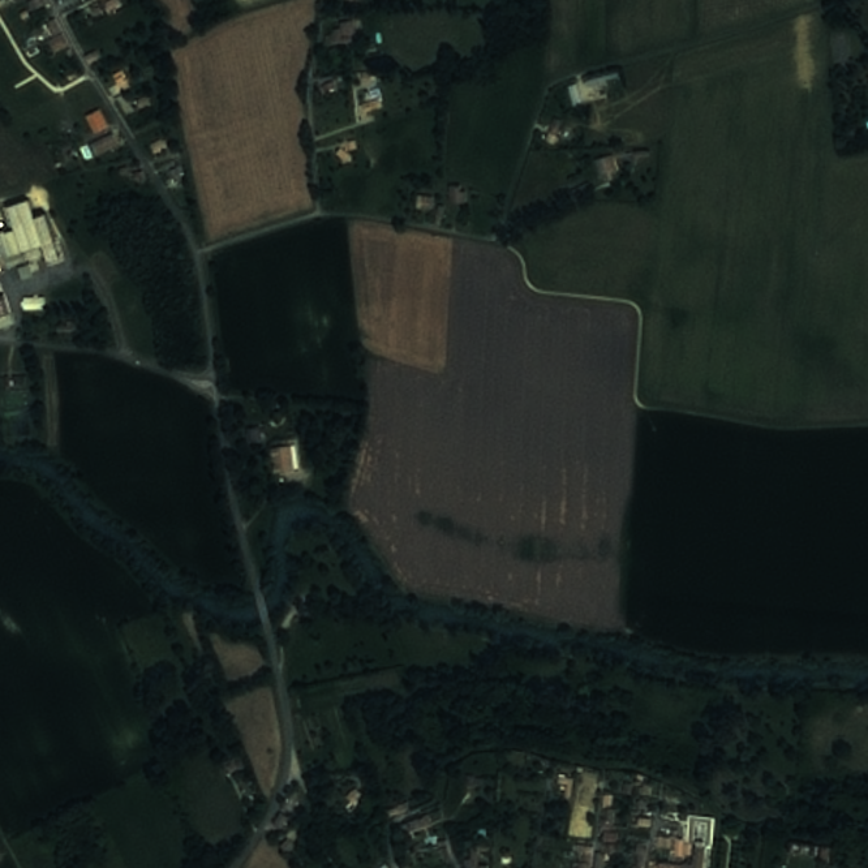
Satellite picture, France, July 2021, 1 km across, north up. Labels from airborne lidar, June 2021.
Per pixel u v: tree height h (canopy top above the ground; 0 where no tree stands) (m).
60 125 0
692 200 0
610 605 0
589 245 0
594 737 8
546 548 0
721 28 0
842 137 16
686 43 0
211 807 0
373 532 0
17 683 0
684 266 0
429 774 32
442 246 0
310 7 0
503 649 18
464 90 0
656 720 0
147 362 0
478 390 0
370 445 0
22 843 0
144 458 0
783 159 0
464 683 25
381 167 0
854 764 0
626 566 0
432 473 0
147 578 10
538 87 0
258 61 0
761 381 0
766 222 0
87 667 0
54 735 0
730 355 0
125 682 0
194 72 0
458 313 0
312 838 19
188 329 13
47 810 0
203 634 7
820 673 0
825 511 0
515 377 0
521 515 0
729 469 0
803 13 0
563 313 0
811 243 0
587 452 0
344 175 0
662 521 0
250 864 0
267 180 0
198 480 0
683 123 0
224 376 11
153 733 0
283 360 0
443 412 0
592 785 0
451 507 0
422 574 0
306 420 14
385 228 0
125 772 0
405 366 0
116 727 0
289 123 0
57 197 0
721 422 0
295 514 0
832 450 0
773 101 0
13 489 0
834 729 0
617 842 6
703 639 0
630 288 0
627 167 8
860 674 0
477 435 0
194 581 20
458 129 0
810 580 0
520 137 0
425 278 0
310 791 10
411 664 0
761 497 0
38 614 0
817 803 11
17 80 0
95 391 0
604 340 0
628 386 0
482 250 0
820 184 0
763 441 0
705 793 9
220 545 0
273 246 0
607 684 0
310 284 0
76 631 0
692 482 0
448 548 0
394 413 0
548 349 0
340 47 13
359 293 0
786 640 0
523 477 0
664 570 0
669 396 0
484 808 11
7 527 0
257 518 0
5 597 0
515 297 0
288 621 0
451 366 0
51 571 0
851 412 0
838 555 0
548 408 0
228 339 0
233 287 0
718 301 0
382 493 0
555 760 10
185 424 0
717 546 0
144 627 0
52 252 0
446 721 22
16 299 0
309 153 13
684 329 0
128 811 0
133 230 17
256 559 0
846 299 0
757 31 0
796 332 0
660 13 0
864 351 0
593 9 0
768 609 0
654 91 0
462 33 0
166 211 8
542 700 21
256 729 0
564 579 0
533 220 23
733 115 0
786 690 24
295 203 0
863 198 0
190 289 17
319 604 22
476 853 0
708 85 0
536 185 0
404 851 15
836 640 0
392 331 0
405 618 9
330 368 0
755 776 13
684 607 0
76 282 0
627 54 0
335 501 10
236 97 0
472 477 0
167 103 20
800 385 0
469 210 9
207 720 7
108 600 0
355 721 14
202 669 15
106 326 19
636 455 0
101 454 0
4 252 0
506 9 23
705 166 0
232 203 0
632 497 0
